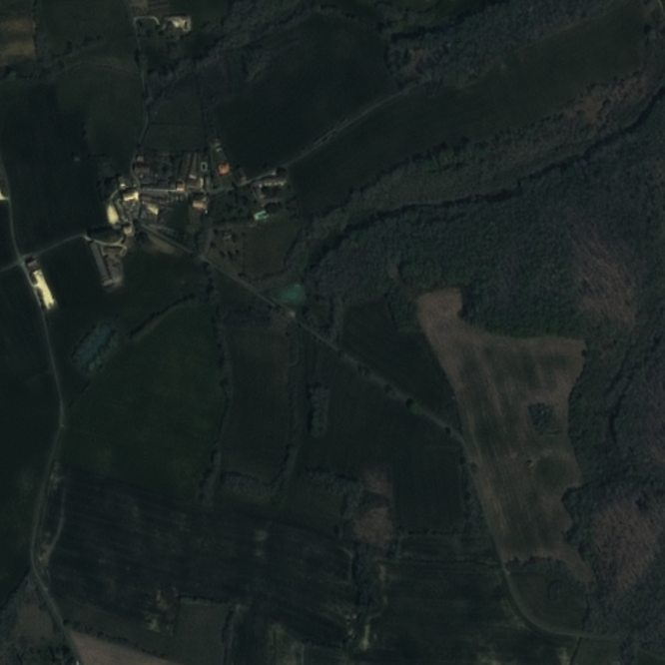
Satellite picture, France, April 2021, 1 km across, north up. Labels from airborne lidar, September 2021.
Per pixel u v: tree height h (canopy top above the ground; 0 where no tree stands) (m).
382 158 0
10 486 0
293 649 0
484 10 11
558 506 0
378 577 0
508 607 0
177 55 18
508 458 0
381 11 19
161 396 0
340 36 0
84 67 0
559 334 14
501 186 11
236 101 0
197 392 0
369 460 0
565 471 0
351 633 0
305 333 8
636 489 12
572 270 19
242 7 19
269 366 0
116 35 0
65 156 0
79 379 0
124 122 0
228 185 0
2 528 0
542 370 0
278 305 0
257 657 0
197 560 0
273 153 0
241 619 0
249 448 0
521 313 20
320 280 8
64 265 0
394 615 0
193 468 0
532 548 0
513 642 0
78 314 0
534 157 11
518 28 16
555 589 9
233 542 0
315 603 0
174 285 0
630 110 6
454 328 0
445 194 12
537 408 7
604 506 16
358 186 0
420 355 0
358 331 0
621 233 17
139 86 0
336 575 0
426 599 0
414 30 0
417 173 10
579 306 17
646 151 17
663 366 23
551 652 0
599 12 13
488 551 0
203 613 0
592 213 16
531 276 20
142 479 0
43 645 0
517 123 0
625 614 22
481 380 0
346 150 0
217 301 15
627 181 12
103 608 0
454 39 22
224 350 12
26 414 0
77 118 0
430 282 25
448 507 0
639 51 0
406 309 19
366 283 15
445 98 0
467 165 16
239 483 21
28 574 8
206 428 0
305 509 0
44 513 0
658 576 27
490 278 20
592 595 7
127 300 0
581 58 0
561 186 16
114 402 0
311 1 8
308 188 0
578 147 7
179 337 0
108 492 0
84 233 0
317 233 17
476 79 10
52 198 0
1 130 0
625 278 18
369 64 0
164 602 0
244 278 12
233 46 16
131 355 0
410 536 9
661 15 8
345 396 0
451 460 0
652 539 21
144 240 10
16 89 0
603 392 18
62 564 0
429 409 0
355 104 0
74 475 0
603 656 0
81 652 0
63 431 0
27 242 0
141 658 0
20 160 0
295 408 7
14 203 0
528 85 0
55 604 0
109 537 0
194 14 0
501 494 0
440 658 0
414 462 0
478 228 23
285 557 0
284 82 0
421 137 0
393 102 0
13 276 0
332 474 16
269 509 0
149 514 0
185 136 0
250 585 0
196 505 0
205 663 0
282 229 0
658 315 19
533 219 17
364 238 26
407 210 9
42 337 0
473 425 0
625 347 13
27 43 0
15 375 0
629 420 25
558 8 18
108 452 0
